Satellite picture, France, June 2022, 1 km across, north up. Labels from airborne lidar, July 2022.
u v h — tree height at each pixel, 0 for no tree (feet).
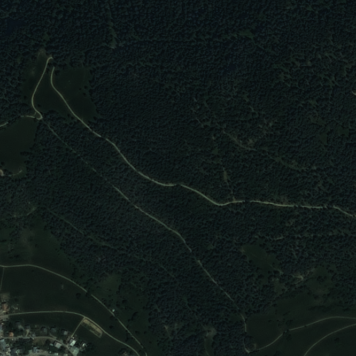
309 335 0
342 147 96
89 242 63
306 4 63
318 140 75
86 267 54
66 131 69
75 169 75
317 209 32
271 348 0
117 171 54
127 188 67
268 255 34
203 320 52
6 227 35
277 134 51
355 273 50
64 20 48
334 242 81
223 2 69
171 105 69
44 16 85
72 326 0
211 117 73
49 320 0
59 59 92
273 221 42
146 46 77
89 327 0
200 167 58
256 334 0
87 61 76
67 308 0
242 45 63
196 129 60
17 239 35
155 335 35
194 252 66
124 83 54
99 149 63
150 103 61
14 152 0
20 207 29
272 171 38
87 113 0
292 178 38
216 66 77
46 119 60
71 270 0
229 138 31
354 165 96
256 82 53
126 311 38
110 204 69
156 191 61
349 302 51
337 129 64
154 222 51
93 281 60
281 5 63
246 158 24
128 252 48
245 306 58
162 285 60
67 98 0
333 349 0
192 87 35
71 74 0
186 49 38
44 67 0
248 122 52
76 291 0
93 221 58
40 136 57
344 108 49
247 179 53
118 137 49
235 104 22
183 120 70
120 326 0
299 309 0
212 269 60
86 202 44
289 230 38
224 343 63
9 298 0
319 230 57
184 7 82
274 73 89
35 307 0
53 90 0
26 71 28
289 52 61
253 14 42
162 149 78
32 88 0
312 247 41
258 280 52
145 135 46
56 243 0
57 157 52
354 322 0
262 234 22
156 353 0
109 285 0
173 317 61
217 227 55
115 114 78
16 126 0
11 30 20
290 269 59
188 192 35
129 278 29
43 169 65
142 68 96
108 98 37
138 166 64
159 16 41
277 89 68
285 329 0
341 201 30
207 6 72
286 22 78
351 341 0
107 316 0
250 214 63
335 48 84
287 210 51
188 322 44
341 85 91
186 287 57
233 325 31
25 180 63
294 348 0
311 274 37
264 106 68
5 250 0
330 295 48
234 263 63
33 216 45
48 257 0
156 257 58
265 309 57
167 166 74
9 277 0
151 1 91
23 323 0
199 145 51
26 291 0
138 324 0
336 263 49
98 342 0
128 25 31
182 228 50
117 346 0
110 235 81
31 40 101
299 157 27
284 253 65
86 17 87
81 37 96
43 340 0
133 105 69
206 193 37
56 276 0
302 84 93
